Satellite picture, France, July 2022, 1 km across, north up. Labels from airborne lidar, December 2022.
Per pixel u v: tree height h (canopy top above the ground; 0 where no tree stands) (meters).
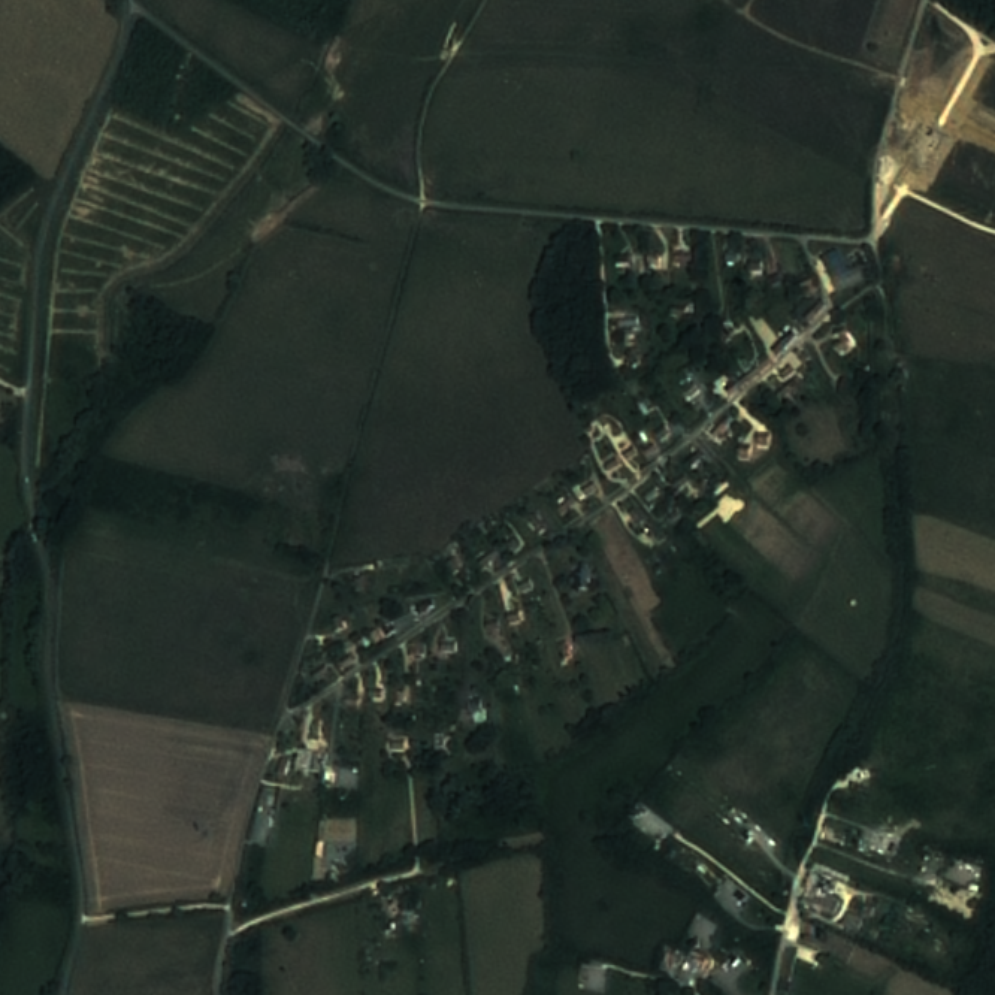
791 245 0
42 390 0
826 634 0
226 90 9
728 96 0
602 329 20
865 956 0
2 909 13
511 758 0
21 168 11
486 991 0
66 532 18
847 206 0
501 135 0
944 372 0
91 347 0
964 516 0
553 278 19
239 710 0
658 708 0
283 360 0
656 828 0
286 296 0
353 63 0
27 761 16
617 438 0
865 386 7
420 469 0
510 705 0
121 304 0
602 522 0
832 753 12
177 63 8
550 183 0
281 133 0
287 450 0
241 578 0
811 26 0
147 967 0
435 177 0
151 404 0
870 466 0
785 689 0
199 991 0
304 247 0
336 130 6
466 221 0
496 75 0
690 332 13
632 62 0
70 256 0
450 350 0
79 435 11
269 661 0
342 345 0
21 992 0
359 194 0
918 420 0
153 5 0
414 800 0
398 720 10
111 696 0
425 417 0
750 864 0
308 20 12
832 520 0
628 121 0
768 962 5
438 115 0
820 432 0
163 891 0
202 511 0
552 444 0
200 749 0
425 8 0
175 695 0
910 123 0
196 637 0
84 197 0
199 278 0
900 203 0
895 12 0
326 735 0
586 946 0
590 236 17
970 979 12
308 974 0
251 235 0
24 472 0
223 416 0
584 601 0
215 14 0
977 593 0
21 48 0
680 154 0
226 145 0
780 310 0
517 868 0
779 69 0
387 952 0
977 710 0
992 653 0
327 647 6
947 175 0
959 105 0
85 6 0
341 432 0
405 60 0
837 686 0
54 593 0
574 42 0
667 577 0
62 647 0
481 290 0
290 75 0
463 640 0
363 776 0
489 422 0
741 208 0
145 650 0
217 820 0
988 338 0
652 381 8
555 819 0
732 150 0
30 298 0
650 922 0
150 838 0
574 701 0
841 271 0
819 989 0
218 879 0
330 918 0
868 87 0
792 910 0
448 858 7
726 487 0
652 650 0
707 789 0
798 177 0
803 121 0
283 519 0
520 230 0
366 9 0
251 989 16
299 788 0
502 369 0
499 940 0
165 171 0
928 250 0
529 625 0
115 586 0
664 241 0
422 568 0
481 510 0
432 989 0
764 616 0
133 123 0
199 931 0
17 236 0
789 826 0
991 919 11
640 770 0
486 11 0
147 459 0
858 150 0
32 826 0
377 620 0
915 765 0
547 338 18
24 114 0
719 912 6
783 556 0
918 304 0
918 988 0
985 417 0
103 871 0
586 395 16
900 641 6
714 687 0
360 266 0
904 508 8
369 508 0
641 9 0
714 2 0
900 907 8
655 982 8
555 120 0
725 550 0
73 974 0
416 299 0
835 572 0
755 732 0
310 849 0
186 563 0
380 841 0
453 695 6
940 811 0
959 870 0
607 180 0
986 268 0
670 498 6
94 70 0
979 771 0
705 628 0
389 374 0
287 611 0
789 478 0
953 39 0
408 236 0
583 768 0
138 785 0
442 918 0
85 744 0
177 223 0
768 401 14
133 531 0
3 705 11
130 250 0
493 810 16
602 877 0
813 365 8
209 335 6
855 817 0
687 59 0
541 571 0
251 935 6
